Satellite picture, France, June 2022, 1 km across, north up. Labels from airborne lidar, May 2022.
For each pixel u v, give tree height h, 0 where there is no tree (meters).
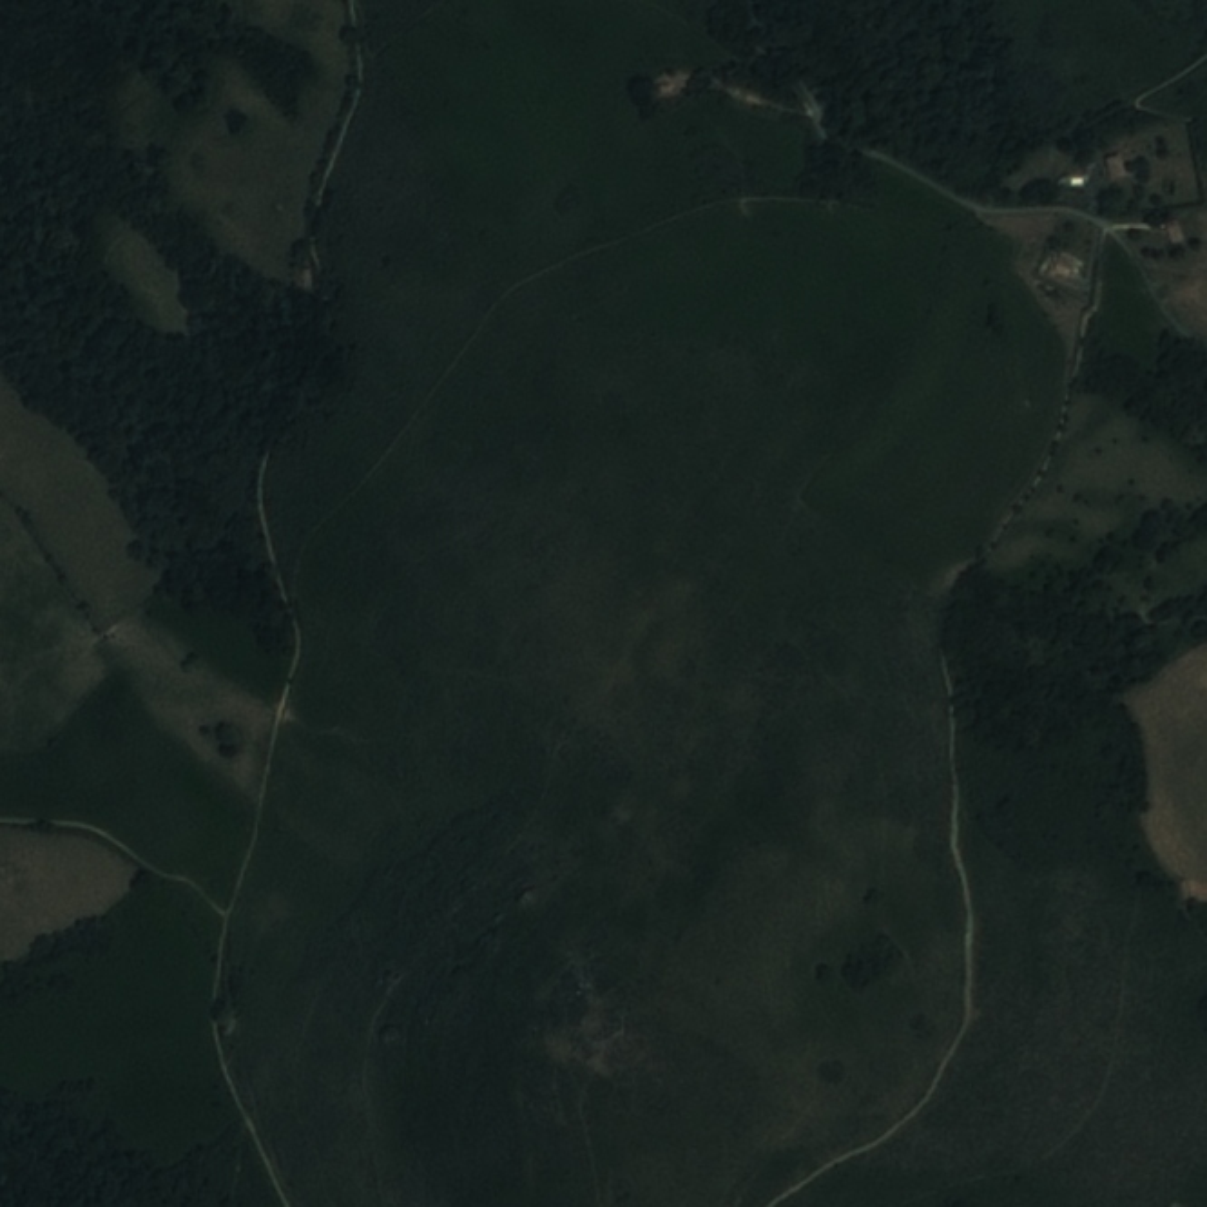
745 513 0
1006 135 13
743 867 0
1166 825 0
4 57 14
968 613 12
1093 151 14
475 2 0
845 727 0
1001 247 0
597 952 0
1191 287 0
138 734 0
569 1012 0
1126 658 17
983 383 0
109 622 0
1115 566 8
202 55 12
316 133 0
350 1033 0
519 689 0
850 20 6
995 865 0
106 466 15
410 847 0
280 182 0
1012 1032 0
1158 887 8
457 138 0
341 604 0
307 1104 0
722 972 0
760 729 0
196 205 0
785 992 0
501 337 0
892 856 0
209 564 22
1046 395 0
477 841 0
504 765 0
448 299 0
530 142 0
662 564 0
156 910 0
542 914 0
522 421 0
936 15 16
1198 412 16
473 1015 0
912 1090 0
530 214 0
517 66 0
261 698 0
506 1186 0
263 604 12
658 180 0
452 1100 0
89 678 0
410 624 0
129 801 0
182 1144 0
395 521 0
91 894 0
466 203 0
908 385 0
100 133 23
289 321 21
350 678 0
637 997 0
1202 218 0
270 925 0
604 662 0
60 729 0
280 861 0
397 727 0
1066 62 0
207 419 20
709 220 0
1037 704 17
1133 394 10
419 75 0
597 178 0
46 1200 15
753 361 0
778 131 0
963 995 0
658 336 0
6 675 0
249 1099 0
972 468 0
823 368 0
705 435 0
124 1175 17
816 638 0
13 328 23
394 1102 0
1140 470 0
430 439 0
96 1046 0
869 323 0
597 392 0
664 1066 0
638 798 0
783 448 0
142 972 0
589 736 0
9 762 0
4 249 11
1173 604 12
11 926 0
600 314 0
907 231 0
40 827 9
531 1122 0
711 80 7
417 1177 0
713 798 0
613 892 0
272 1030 0
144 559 12
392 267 7
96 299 26
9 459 0
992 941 0
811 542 0
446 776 0
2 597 0
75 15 29
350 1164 0
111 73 18
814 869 0
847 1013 0
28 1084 0
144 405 17
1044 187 12
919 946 0
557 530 0
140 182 17
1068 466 0
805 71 16
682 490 0
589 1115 0
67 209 17
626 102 0
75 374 21
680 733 0
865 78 19
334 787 0
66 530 0
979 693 8
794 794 0
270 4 0
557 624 0
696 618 0
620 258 0
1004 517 0
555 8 0
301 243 10
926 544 0
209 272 18
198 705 0
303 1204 0
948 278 0
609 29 0
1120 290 0
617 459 0
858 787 0
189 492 15
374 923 0
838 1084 0
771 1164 0
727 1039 0
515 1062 0
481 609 0
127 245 0
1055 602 10
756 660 0
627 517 0
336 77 0
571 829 0
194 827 0
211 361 22
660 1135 0
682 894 0
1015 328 0
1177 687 0
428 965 0
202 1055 0
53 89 19
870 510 0
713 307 0
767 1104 0
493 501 0
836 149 20
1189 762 0
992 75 12
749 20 13
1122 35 0
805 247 0
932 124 13
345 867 0
